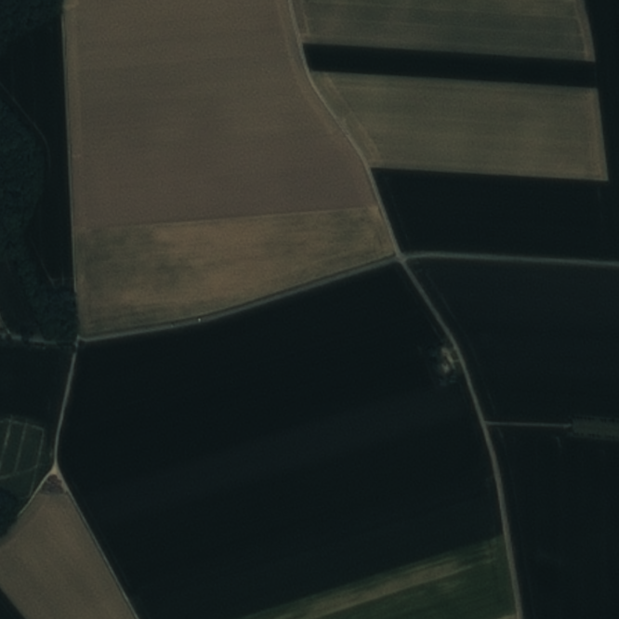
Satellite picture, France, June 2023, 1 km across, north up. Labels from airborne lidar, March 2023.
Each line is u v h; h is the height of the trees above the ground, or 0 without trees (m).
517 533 0
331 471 0
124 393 0
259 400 0
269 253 0
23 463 0
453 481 0
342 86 0
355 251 0
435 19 0
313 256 0
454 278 0
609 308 0
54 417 0
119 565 0
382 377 0
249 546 0
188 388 0
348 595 0
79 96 0
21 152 24
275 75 0
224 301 0
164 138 0
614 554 0
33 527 0
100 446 0
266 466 0
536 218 0
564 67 0
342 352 0
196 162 0
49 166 0
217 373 0
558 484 0
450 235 0
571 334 0
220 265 0
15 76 0
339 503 0
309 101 0
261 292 0
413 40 0
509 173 0
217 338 0
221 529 0
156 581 0
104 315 0
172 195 0
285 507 0
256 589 0
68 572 0
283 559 0
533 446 0
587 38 0
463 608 0
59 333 20
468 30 0
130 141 0
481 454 0
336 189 0
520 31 0
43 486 0
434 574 0
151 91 0
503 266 0
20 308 0
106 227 0
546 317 0
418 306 0
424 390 0
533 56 0
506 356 0
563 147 0
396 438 0
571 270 0
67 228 0
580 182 0
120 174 0
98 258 0
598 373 0
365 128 0
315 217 0
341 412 0
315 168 0
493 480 0
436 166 0
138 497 0
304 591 0
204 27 0
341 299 0
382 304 0
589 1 0
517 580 0
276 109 0
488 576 0
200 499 0
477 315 0
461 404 0
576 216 0
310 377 0
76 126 0
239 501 0
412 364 0
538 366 0
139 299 0
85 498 0
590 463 0
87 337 0
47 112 0
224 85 0
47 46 0
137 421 0
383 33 0
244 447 0
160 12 0
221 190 0
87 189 0
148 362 0
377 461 0
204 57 0
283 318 0
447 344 0
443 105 0
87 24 0
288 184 0
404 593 0
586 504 0
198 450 0
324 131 0
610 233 0
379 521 0
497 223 0
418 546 0
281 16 0
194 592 0
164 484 0
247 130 0
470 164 0
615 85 0
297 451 0
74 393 0
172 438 0
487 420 0
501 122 0
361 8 0
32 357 0
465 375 0
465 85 0
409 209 0
